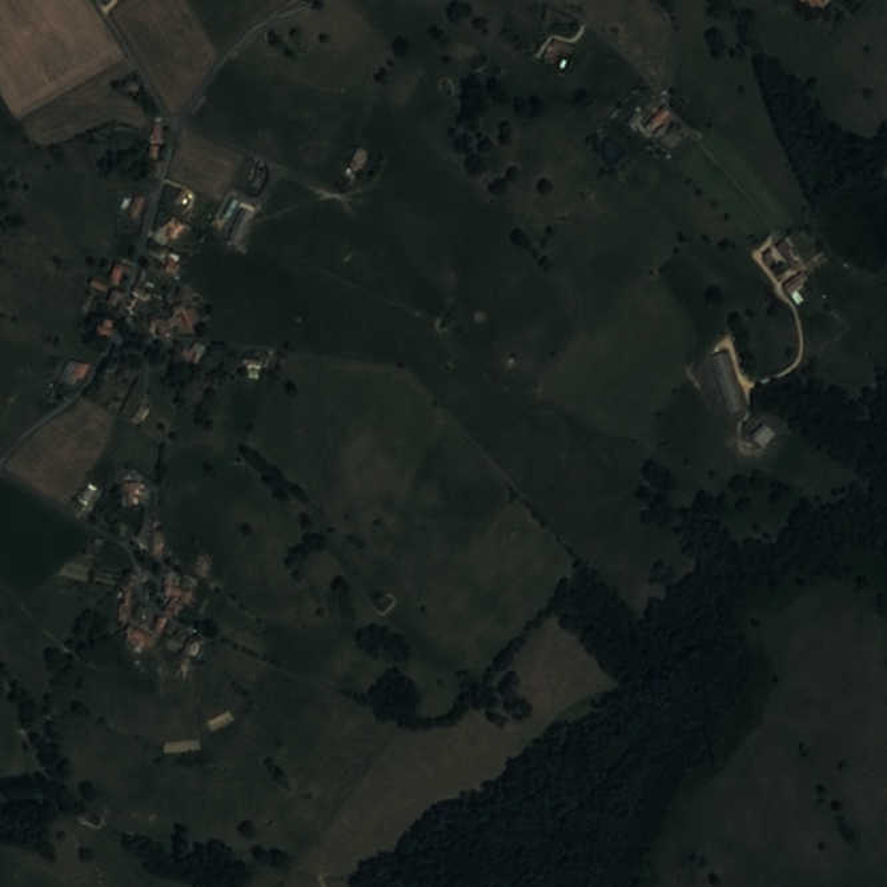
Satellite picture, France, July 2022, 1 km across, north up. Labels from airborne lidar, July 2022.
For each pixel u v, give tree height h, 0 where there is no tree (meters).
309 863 0
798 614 0
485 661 0
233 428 0
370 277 0
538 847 9
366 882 20
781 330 0
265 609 0
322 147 0
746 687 12
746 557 15
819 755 0
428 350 0
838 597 0
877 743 0
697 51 0
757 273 0
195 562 0
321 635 0
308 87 0
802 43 0
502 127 12
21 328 0
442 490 0
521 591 0
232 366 0
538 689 0
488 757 0
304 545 11
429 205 0
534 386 0
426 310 0
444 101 0
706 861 15
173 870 21
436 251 0
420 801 0
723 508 17
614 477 0
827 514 17
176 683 0
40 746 19
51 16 0
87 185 0
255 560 0
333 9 0
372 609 0
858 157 29
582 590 15
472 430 0
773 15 0
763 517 0
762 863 0
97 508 7
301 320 0
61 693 0
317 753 0
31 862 0
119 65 0
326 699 0
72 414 0
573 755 10
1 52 0
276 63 0
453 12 17
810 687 0
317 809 0
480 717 0
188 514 0
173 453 0
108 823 0
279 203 0
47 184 0
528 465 0
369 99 0
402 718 12
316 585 0
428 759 0
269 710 0
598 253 0
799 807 0
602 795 11
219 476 21
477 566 0
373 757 0
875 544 23
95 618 10
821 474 0
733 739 0
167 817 0
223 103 0
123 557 0
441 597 0
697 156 0
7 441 0
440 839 18
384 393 0
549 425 0
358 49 0
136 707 0
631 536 0
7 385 0
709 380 0
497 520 0
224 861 24
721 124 0
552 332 0
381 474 0
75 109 0
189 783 0
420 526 0
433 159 0
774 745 0
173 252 7
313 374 0
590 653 13
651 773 19
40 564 0
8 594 0
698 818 0
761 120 0
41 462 0
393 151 0
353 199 0
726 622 23
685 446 0
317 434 0
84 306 0
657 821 19
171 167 0
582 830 11
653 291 0
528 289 0
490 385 0
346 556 0
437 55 0
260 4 0
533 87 0
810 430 14
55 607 0
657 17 0
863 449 22
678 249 9
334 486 0
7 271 0
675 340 0
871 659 0
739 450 0
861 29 0
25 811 16
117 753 0
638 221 0
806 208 9
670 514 22
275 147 0
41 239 0
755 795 0
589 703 0
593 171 0
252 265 0
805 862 0
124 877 0
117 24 0
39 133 0
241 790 0
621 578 0
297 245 0
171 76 0
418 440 0
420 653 0
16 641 0
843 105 0
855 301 0
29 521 0
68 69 0
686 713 15
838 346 0
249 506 0
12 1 0
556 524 0
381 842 0
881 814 0
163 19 0
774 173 0
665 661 19
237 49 0
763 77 23
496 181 10
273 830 0
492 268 0
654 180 0
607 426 0
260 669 0
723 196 0
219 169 0
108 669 0
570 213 0
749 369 13
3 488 0
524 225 0
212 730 0
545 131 0
